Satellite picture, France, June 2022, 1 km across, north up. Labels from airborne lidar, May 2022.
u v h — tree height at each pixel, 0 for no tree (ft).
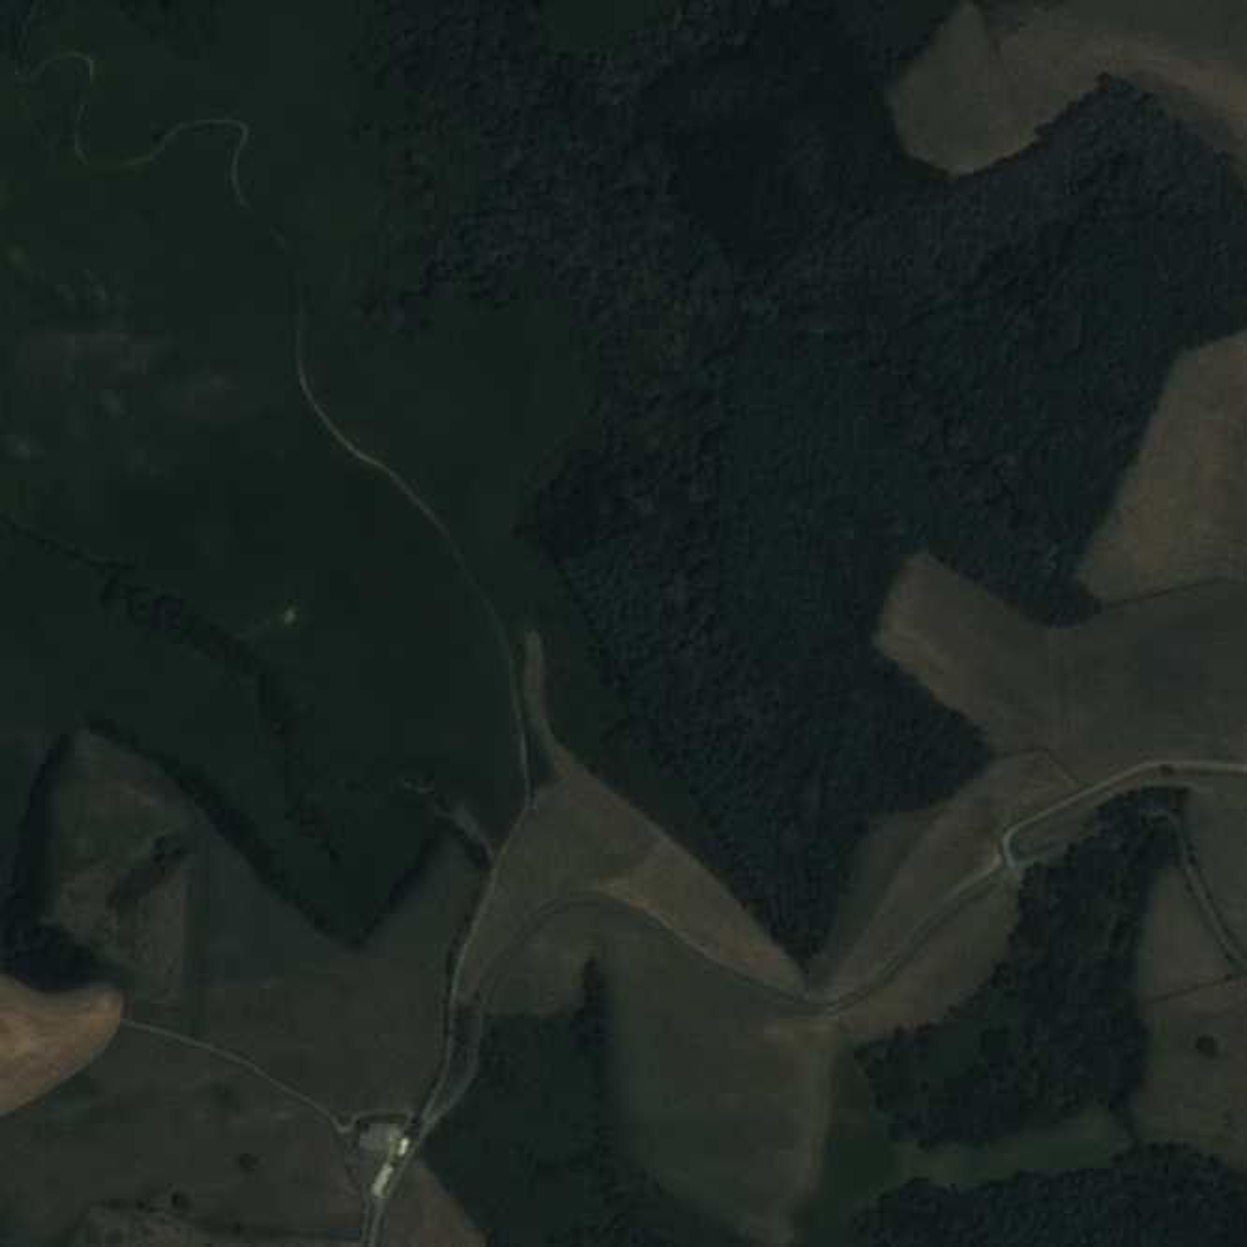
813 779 56
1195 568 0
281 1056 0
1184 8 0
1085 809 0
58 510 0
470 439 0
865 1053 40
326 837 28
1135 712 0
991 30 0
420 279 31
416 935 0
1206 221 23
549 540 38
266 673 34
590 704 0
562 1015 0
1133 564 0
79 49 0
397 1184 0
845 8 25
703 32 68
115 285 0
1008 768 0
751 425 42
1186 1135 0
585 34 0
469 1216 0
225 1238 0
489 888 0
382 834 0
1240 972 0
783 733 35
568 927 0
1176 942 0
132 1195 0
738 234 54
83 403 0
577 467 39
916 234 46
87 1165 0
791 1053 0
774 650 36
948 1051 0
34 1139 0
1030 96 0
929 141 0
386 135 22
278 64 0
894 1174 0
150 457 0
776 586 32
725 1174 0
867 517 21
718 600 26
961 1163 0
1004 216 53
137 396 0
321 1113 0
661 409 53
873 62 28
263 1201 0
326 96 0
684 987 0
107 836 0
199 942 0
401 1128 0
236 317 0
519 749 0
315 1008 0
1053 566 43
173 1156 0
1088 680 0
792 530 28
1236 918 0
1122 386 39
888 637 0
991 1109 80
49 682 0
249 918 0
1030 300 29
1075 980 63
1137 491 0
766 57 44
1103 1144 0
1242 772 0
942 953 0
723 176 59
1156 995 0
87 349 0
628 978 0
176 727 0
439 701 0
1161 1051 0
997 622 0
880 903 0
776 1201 0
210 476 0
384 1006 0
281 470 0
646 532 74
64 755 35
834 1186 0
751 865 48
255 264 0
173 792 0
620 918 0
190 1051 0
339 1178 0
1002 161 27
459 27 57
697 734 47
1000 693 0
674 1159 0
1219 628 0
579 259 31
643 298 37
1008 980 42
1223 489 0
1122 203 52
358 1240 0
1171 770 28
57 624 0
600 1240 35
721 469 51
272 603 0
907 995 0
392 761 0
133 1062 0
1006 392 28
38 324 0
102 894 0
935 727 34
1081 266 42
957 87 0
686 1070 0
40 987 45
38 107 0
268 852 24
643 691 62
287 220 0
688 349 50
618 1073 0
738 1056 0
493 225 68
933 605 0
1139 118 42
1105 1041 80
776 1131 0
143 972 0
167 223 0
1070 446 23
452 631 0
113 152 0
